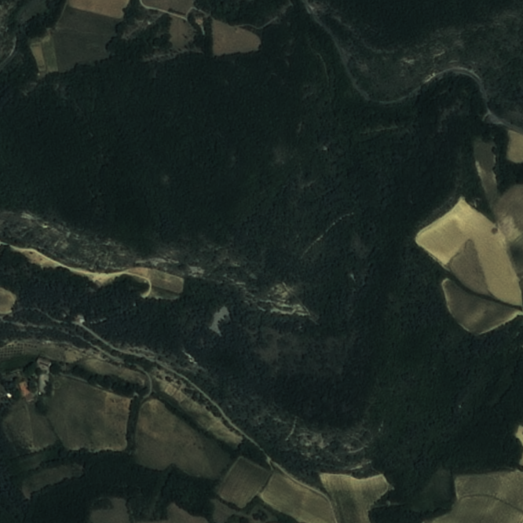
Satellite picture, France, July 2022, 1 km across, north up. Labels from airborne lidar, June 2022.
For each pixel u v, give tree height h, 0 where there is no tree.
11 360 0
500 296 0
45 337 10
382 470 6
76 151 15
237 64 6
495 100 7
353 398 8
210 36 10
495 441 16
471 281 0
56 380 0
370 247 7
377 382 8
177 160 12
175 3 0
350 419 7
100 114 11
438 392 9
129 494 7
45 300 17
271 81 8
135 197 11
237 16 9
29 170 10
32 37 20
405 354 13
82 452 17
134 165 8
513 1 7
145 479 17
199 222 10
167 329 13
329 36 10
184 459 0
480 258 0
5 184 15
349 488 0
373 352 6
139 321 13
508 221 0
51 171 13
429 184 7
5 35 9
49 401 0
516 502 0
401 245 6
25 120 14
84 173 12
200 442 0
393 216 13
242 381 12
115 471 16
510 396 12
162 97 11
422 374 10
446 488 0
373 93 7
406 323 11
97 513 0
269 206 6
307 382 9
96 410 0
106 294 11
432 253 0
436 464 18
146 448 0
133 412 6
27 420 0
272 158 6
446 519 0
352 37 8
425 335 13
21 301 9
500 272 0
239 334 13
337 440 12
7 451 24
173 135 15
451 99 9
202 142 11
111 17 0
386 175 6
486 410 16
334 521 0
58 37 0
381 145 11
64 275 12
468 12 11
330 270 9
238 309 10
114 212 13
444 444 13
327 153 8
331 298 17
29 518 10
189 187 10
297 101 13
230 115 15
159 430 0
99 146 8
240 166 8
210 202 8
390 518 16
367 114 19
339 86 12
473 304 0
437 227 0
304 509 0
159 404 0
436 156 10
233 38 0
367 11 13
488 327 0
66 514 12
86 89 7
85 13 0
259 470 0
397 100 8
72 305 12
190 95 11
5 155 11
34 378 14
